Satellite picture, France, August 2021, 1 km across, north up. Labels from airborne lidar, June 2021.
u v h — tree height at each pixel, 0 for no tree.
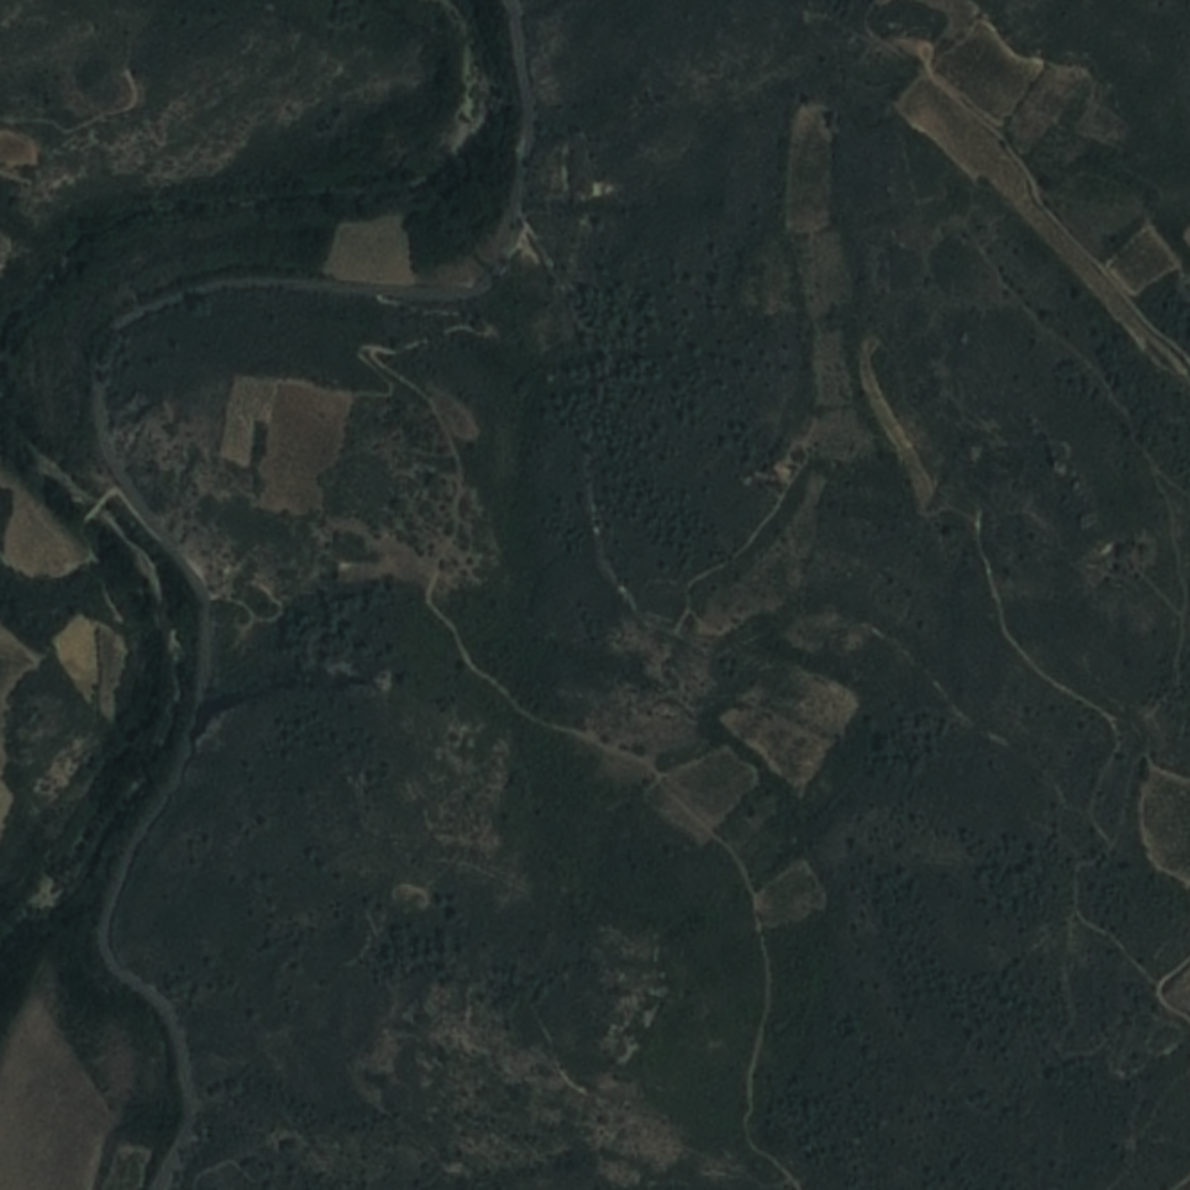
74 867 12
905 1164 0
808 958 8
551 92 0
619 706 0
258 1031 0
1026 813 0
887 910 7
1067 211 0
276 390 0
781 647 6
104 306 6
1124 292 0
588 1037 0
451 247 8
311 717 6
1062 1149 0
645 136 0
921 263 0
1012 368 0
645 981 0
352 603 13
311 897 0
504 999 8
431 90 6
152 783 12
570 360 7
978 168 0
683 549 9
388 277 0
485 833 0
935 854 0
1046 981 6
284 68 0
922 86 0
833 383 0
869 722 12
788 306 0
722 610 0
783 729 0
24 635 6
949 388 0
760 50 0
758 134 0
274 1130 6
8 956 21
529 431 8
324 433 0
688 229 0
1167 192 0
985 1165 6
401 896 0
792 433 0
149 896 0
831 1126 6
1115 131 0
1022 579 0
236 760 0
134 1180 0
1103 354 13
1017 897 9
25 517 0
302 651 17
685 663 0
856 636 0
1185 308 12
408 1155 0
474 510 0
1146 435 7
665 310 0
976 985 11
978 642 0
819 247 0
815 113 0
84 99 0
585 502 8
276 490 0
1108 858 10
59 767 0
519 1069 0
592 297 13
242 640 0
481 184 16
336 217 13
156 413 0
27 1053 0
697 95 0
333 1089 0
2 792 0
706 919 6
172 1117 7
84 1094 0
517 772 10
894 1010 7
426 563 0
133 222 11
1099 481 0
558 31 0
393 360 6
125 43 0
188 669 7
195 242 6
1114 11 0
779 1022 8
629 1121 0
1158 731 0
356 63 0
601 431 9
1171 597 0
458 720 0
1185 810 0
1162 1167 0
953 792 0
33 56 0
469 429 0
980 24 0
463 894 0
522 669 6
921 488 0
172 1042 6
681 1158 0
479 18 10
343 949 0
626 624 0
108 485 0
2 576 9
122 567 25
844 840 0
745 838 0
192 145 0
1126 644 0
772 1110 9
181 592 9
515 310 6
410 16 6
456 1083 0
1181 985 0
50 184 0
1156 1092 0
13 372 17
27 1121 0
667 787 0
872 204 0
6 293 6
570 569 0
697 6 0
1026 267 0
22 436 18
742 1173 0
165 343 0
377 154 6
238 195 8
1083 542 0
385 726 0
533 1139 9
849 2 11
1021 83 0
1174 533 0
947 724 10
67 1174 0
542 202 6
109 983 10
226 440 0
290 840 0
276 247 6
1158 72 0
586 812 5
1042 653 0
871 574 0
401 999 0
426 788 0
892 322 0
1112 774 0
